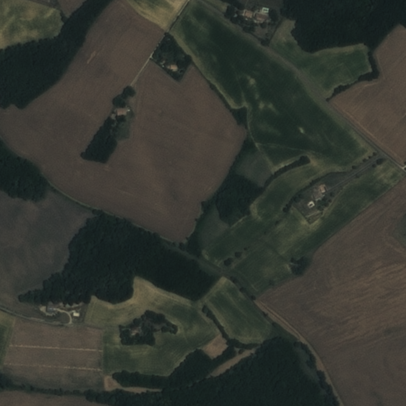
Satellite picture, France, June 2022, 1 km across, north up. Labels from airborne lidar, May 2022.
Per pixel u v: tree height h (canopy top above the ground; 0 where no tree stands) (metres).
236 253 11
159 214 0
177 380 15
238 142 0
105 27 0
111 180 0
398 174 0
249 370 20
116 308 0
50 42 17
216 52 0
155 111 0
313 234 0
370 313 0
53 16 0
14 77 17
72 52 17
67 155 0
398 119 0
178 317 0
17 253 0
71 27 16
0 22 0
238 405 18
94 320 0
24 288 0
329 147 0
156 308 0
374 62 10
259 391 20
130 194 0
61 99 0
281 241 0
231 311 0
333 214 0
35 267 0
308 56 0
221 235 0
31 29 0
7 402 0
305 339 0
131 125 0
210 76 0
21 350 0
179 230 0
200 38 0
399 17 11
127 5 0
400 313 0
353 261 0
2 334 0
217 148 0
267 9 0
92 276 22
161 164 0
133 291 10
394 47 0
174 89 0
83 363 0
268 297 0
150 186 0
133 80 0
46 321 0
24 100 19
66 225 0
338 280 0
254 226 0
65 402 0
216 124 0
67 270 20
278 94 0
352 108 0
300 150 0
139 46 0
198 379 24
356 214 0
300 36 20
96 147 16
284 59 0
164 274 13
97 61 0
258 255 0
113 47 0
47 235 0
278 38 0
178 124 0
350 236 0
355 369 0
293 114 0
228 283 0
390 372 0
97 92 0
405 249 0
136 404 29
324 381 24
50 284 18
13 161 26
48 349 0
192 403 23
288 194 0
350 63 0
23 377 0
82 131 0
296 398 20
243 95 0
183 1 0
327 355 0
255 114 0
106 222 18
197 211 0
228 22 0
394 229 0
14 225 0
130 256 17
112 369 0
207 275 15
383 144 0
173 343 0
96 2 15
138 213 0
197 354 14
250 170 0
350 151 0
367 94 0
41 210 0
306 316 0
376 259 0
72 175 0
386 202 0
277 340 19
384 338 0
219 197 21
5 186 24
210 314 14
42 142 0
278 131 0
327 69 0
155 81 0
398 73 0
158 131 0
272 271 0
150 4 0
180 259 10
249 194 7
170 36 10
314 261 0
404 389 0
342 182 0
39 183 17
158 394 22
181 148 0
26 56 24
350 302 0
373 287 0
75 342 0
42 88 17
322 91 0
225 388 26
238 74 0
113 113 10
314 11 17
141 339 8
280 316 0
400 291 0
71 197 0
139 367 0
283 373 23
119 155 0
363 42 13
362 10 19
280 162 0
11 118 0
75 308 0
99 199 0
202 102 0
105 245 26
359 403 0
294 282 0
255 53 0
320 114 0
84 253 24
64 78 0
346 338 0
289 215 0
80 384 0
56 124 0
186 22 0
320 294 0
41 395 0
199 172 0
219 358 15
